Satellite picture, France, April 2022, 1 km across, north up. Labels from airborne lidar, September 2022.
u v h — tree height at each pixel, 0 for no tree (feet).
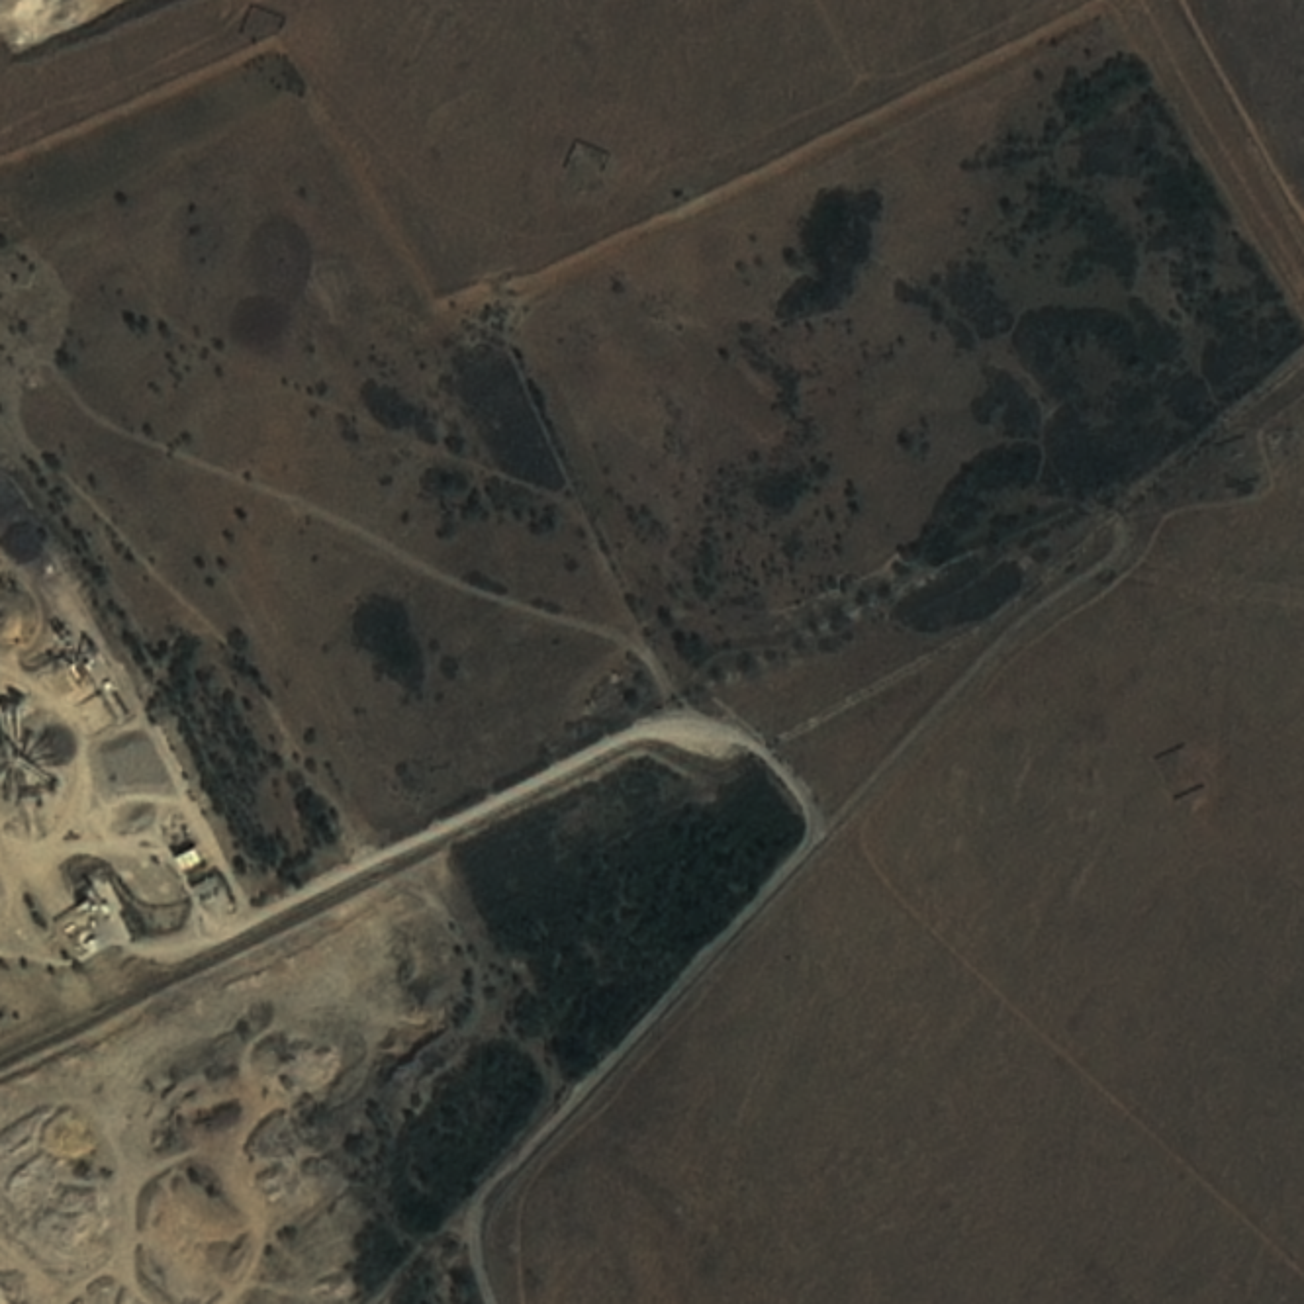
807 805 0
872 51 0
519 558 0
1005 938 0
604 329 0
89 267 0
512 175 0
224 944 0
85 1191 0
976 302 0
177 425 0
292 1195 0
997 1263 0
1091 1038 0
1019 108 0
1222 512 0
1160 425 0
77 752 0
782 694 0
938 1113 0
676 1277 0
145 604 0
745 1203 0
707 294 0
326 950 0
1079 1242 0
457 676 0
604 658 0
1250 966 0
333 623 0
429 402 0
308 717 0
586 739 0
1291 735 0
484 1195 0
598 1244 0
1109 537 0
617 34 0
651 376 0
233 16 0
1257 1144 0
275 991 0
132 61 0
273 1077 0
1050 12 0
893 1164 0
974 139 0
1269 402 0
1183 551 0
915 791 0
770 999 0
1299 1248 0
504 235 0
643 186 0
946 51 0
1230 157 0
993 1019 0
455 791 0
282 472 0
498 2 0
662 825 19
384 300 0
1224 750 0
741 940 0
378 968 0
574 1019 27
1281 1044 0
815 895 0
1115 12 0
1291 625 0
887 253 0
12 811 0
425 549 0
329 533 0
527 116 0
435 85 0
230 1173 0
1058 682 0
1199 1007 0
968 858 0
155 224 0
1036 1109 0
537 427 0
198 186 0
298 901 0
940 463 0
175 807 0
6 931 0
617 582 0
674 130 0
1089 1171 0
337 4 0
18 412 0
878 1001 0
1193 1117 0
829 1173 0
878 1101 0
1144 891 0
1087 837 0
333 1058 0
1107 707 0
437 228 0
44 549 0
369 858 0
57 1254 0
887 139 0
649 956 28
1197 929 0
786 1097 0
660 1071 0
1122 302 0
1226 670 0
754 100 0
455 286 0
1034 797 0
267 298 0
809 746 0
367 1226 24
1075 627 0
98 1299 0
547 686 0
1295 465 0
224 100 0
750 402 0
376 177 0
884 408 0
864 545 0
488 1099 44
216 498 0
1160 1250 0
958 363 0
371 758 0
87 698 0
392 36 0
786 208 0
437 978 0
